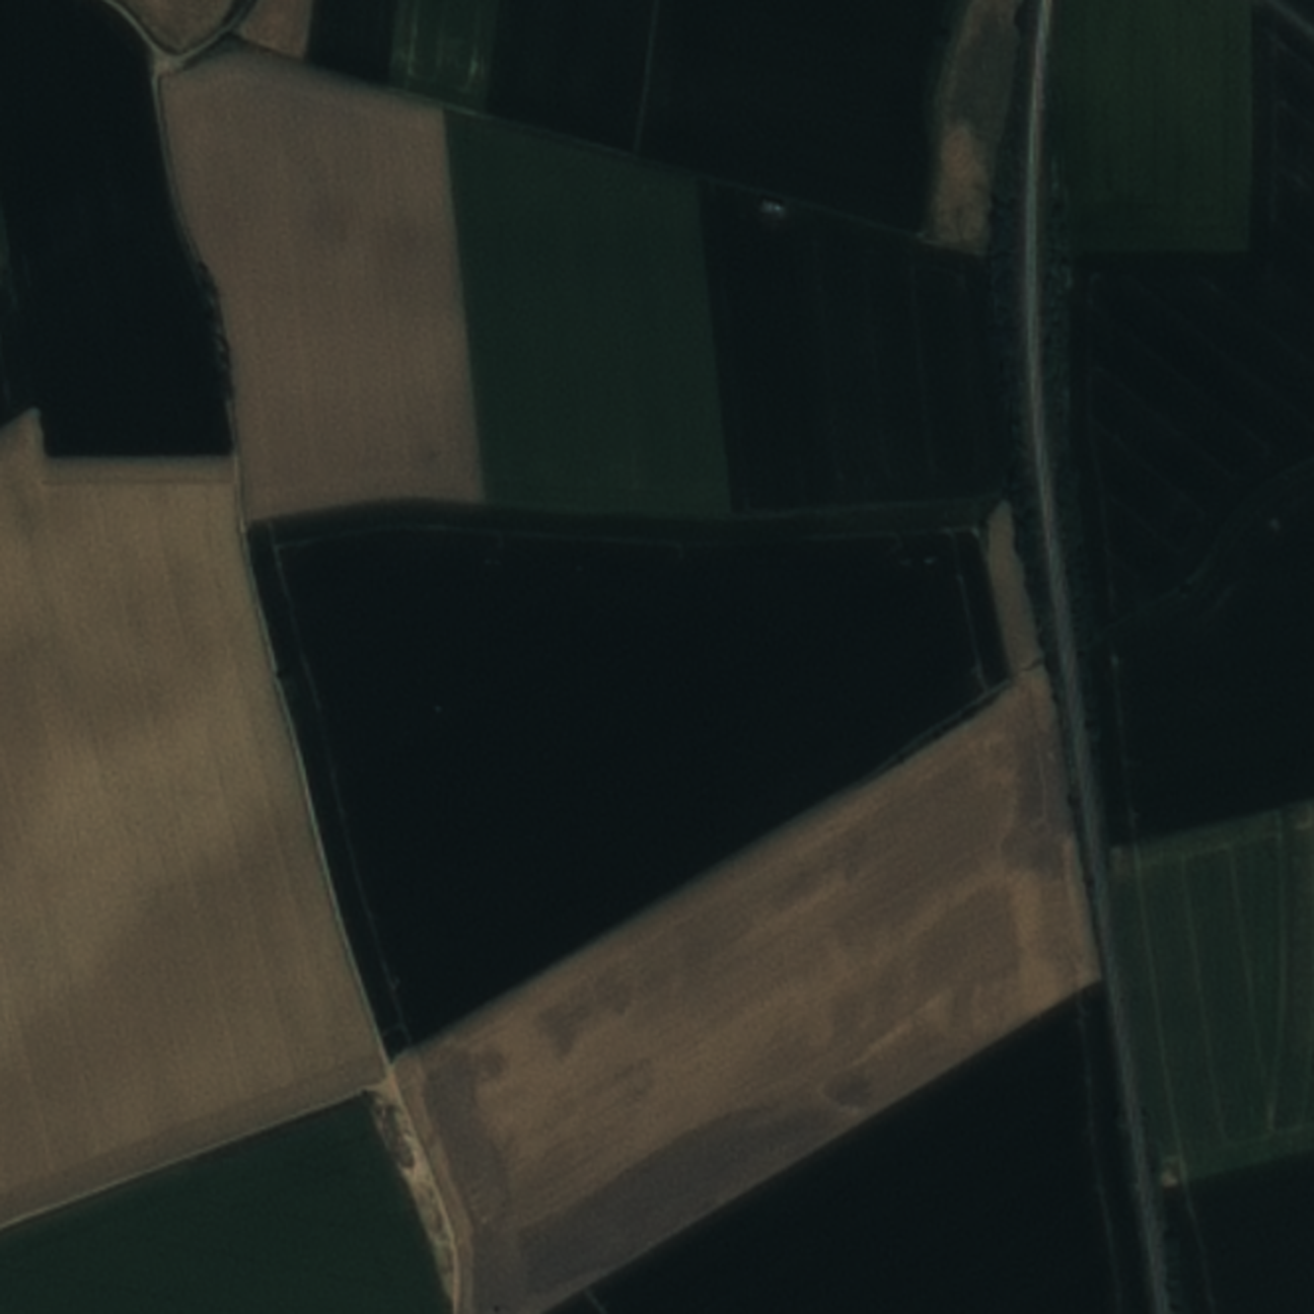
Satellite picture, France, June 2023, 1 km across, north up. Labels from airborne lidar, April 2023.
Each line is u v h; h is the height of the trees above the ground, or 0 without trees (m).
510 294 0
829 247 0
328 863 0
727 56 0
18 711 0
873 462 0
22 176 0
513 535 0
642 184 0
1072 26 0
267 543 0
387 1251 0
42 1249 0
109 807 0
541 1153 0
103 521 0
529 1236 0
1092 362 0
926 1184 0
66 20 0
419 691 0
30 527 0
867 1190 0
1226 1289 0
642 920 0
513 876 0
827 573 0
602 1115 0
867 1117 0
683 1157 0
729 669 0
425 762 0
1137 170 0
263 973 0
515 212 0
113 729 0
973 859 0
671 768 0
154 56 0
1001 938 0
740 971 0
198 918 0
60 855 0
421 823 0
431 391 0
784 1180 0
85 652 0
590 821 0
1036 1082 0
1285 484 0
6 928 0
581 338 0
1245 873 0
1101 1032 0
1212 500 0
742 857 0
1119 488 0
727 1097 0
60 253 0
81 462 0
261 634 0
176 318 0
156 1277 0
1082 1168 0
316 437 0
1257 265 0
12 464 0
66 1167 0
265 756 0
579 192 0
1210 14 0
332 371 0
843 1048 0
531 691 0
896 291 0
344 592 0
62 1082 0
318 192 0
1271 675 0
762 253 0
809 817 0
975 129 0
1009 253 8
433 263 0
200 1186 0
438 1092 0
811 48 0
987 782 0
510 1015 0
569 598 0
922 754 0
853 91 0
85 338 0
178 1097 0
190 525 0
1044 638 7
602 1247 0
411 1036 0
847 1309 0
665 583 0
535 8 0
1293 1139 0
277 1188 0
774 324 0
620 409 0
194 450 0
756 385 0
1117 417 0
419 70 0
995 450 0
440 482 0
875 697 0
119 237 0
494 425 0
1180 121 0
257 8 0
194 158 0
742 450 0
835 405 0
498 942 0
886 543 0
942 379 0
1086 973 0
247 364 0
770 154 0
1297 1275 0
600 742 0
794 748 0
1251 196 0
